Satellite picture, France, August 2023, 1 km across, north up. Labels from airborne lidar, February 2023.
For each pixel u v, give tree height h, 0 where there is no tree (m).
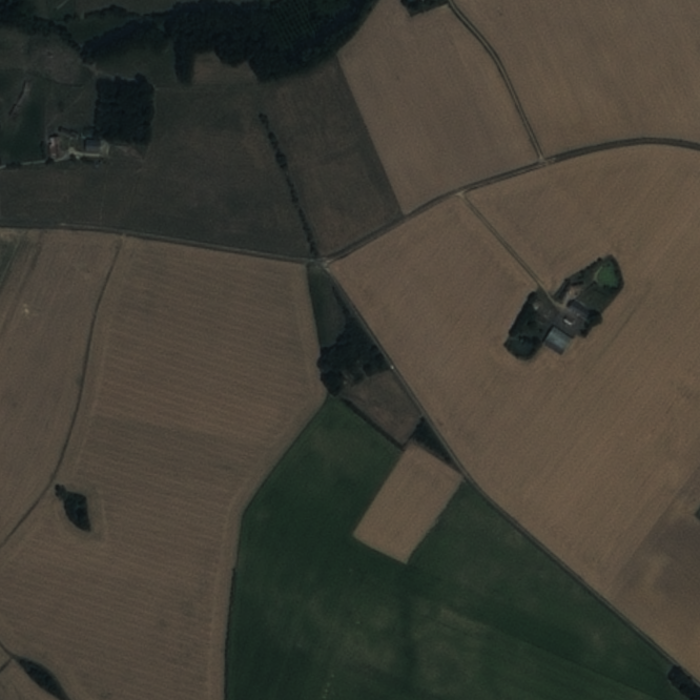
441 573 0
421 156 0
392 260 0
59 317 0
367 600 0
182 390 0
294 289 0
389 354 0
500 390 0
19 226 0
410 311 0
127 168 0
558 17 0
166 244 0
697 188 0
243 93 0
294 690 0
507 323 0
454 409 0
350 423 0
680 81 0
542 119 0
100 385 0
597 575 0
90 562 0
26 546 0
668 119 0
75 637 0
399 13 0
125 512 0
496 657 0
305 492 0
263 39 9
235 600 0
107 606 0
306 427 0
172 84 0
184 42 32
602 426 0
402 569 0
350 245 0
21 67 0
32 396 0
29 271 0
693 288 0
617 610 0
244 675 0
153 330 0
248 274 0
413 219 0
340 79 0
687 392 0
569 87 0
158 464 0
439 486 0
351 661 0
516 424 0
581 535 0
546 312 0
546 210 0
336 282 0
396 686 0
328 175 0
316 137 0
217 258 0
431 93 0
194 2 0
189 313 0
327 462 0
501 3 0
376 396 0
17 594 0
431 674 0
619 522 0
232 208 0
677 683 14
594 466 0
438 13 0
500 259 0
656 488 0
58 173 0
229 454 0
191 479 0
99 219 0
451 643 0
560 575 0
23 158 0
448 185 0
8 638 0
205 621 0
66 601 0
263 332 0
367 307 0
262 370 0
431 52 0
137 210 0
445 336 0
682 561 0
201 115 0
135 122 16
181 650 0
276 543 0
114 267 0
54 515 0
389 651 0
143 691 0
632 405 0
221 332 0
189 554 0
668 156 0
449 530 0
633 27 0
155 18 13
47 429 0
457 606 0
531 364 0
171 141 0
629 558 0
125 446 0
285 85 0
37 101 0
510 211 0
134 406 0
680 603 0
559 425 0
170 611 0
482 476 0
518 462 0
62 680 0
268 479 0
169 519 0
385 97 0
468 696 0
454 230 0
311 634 0
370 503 0
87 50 16
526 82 0
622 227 0
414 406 0
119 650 0
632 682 0
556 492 0
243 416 0
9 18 26
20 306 0
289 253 0
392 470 0
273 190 0
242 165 0
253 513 0
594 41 0
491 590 0
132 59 0
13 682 0
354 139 0
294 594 0
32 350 0
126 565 0
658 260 0
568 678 0
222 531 0
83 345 0
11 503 0
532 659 0
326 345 0
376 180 0
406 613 0
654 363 0
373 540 0
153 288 0
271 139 10
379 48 0
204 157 0
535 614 0
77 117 0
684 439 0
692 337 0
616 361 0
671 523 0
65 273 0
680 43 0
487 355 0
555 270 0
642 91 0
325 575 0
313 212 0
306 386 0
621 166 0
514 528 0
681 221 0
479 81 0
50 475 0
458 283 0
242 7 0
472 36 0
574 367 0
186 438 0
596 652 0
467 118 0
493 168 0
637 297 0
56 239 0
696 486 0
